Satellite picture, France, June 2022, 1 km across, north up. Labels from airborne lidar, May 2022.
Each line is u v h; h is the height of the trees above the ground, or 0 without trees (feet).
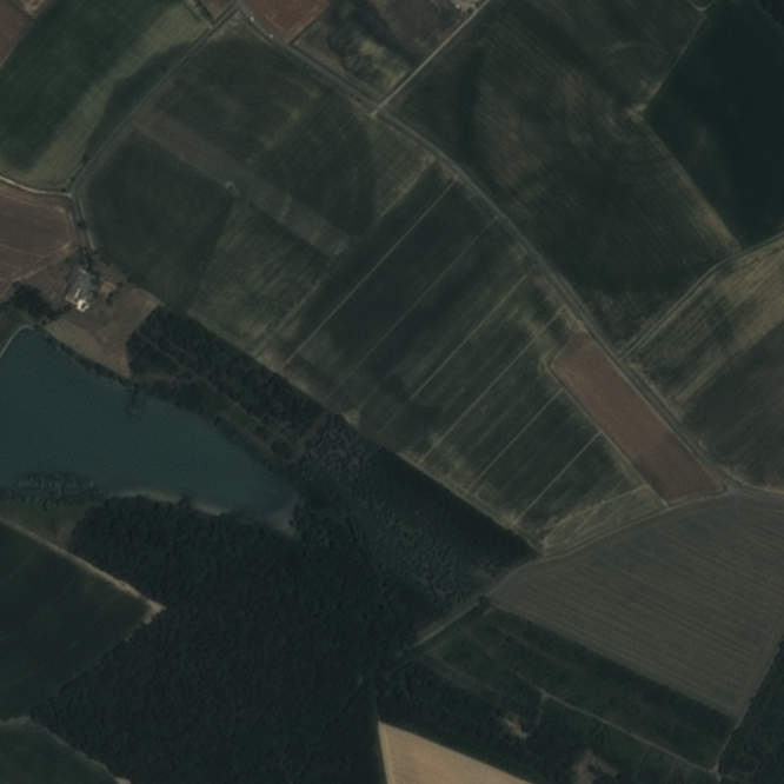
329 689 52
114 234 0
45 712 52
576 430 0
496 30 0
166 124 0
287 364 0
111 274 0
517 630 0
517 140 0
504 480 0
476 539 49
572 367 0
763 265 0
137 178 0
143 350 25
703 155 0
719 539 0
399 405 0
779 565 0
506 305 0
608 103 0
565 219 0
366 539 65
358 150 0
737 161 0
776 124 0
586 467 0
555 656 0
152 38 0
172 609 34
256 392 37
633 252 0
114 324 0
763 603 0
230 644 36
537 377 0
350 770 47
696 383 0
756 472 0
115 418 0
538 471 0
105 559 32
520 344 0
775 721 24
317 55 0
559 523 0
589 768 64
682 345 0
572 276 0
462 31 0
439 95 0
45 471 0
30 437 0
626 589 0
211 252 0
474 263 0
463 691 21
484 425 0
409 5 0
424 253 0
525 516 0
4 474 0
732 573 0
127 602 0
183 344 36
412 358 0
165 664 50
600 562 0
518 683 22
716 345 0
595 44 0
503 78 0
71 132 0
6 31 0
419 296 0
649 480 0
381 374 0
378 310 0
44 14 0
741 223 0
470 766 0
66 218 0
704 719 18
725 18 0
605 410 0
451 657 19
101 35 0
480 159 0
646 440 0
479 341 0
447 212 0
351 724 56
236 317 0
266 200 0
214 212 0
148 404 0
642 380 0
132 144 0
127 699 49
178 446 0
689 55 0
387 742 0
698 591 0
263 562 50
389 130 0
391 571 48
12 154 0
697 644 0
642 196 0
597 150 0
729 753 21
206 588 50
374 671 29
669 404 0
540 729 58
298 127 0
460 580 39
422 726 37
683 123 0
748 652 0
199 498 0
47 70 0
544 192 0
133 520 47
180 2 0
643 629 0
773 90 0
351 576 82
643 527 0
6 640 0
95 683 44
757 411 0
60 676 0
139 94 0
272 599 38
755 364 0
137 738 52
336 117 0
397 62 0
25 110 0
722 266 0
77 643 0
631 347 0
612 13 0
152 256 0
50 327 0
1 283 0
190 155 0
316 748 47
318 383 0
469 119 0
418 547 38
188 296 0
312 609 73
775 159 0
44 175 0
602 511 0
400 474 50
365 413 0
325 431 41
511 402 0
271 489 0
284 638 45
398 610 61
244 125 0
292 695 44
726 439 0
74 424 0
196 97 0
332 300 0
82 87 0
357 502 52
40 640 0
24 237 0
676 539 0
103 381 0
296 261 0
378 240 0
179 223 0
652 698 20
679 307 0
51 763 0
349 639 92
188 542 49
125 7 0
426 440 0
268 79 0
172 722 46
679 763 0
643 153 0
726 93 0
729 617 0
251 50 0
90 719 46
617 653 0
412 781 0
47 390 0
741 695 0
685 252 0
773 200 0
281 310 0
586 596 0
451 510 51
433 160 0
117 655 48
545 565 0
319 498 48
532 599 0
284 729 57
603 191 0
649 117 0
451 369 0
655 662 0
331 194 0
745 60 0
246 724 46
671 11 0
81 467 0
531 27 0
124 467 0
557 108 0
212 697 36
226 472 0
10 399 0
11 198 0
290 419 21
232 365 30
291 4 0
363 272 0
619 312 0
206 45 0
